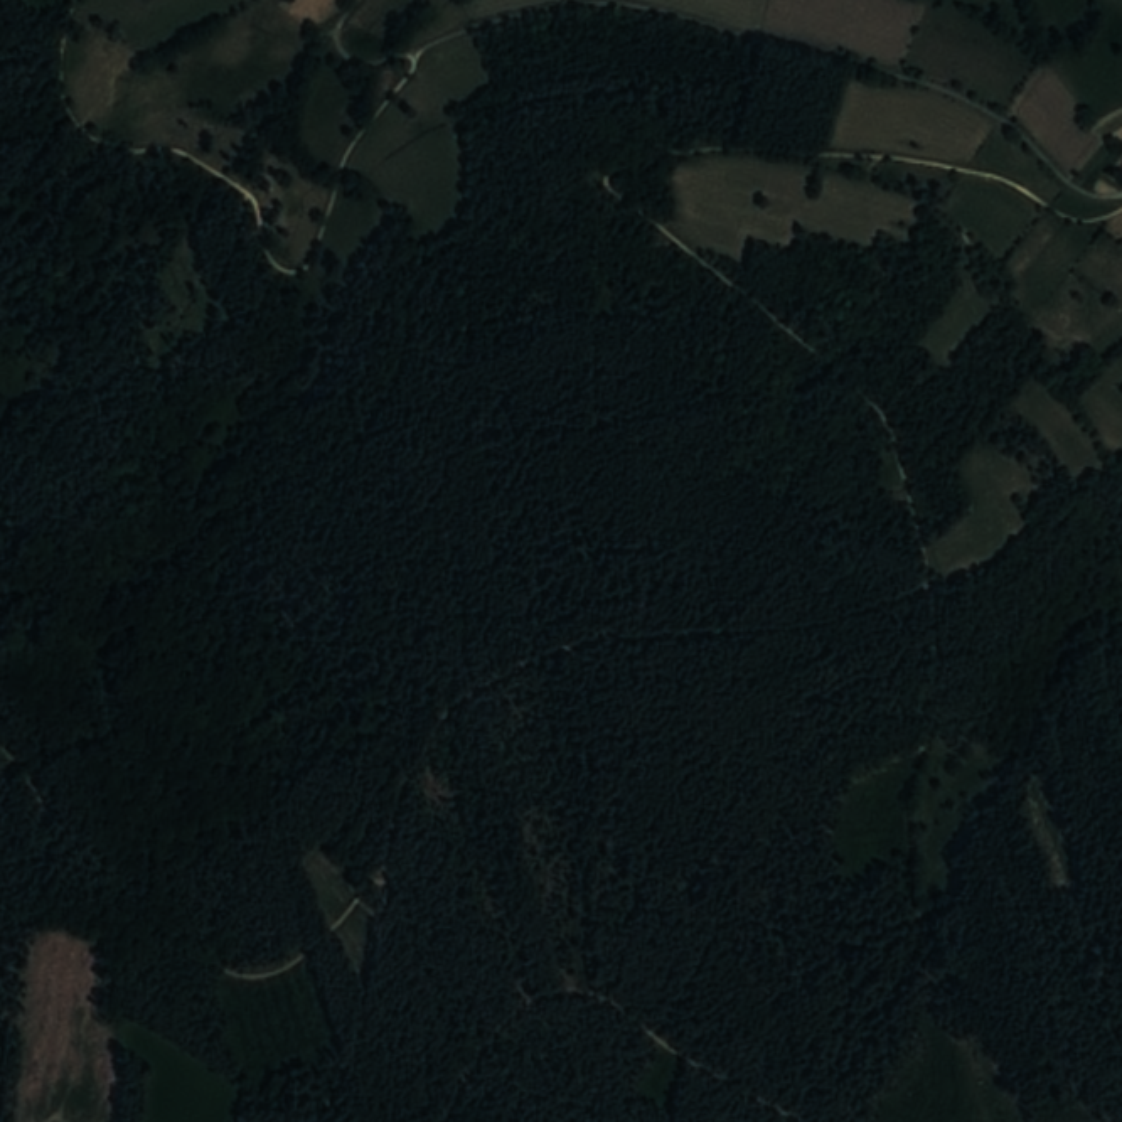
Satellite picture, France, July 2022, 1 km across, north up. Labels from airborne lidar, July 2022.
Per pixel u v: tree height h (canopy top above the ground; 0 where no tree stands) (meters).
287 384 18
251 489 21
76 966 0
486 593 22
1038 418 0
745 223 0
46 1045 0
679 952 23
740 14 0
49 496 24
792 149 24
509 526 21
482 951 20
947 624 22
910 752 15
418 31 15
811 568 20
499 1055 17
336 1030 22
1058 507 20
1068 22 0
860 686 21
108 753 27
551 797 22
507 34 9
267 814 22
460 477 27
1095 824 20
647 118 18
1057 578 24
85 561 22
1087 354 18
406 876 19
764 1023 25
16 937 25
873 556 21
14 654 32
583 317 23
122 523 21
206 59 0
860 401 9
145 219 9
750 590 20
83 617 28
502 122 22
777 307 14
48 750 14
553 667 8
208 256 20
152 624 24
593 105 26
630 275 11
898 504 7
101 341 24
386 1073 18
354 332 19
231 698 27
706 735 30
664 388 15
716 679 27
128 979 25
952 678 18
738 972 25
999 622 21
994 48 0
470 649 23
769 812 26
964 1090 0
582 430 27
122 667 22
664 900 20
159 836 33
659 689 28
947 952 36
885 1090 34
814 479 16
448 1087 17
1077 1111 0
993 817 18
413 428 27
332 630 31
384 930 19
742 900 26
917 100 0
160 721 22
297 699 18
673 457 21
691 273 11
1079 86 0
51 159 23
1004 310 9
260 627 28
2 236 26
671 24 14
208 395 19
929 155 0
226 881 25
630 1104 21
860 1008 32
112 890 18
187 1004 16
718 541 22
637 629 27
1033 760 21
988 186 0
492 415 29
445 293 12
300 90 22
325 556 30
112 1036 0
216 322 15
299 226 0
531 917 19
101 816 26
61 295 24
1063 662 22
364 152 0
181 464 24
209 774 23
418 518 26
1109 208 0
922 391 13
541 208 19
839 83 25
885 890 32
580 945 13
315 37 13
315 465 26
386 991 21
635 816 25
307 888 23
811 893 30
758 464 19
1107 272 0
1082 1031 15
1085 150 0
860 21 0
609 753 26
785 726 26
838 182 0
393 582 24
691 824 20
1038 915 16
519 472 28
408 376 27
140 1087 20
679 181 0
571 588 17
